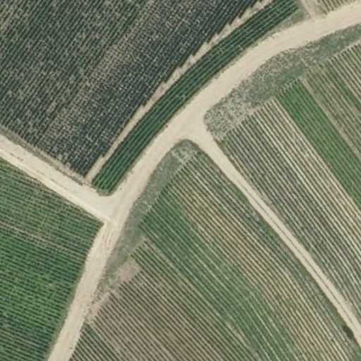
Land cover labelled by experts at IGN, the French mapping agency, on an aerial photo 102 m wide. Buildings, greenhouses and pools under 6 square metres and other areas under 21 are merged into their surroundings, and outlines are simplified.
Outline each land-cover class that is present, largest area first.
<instances>
[{"label":"vineyard","instance_id":"1","mask_svg":"<svg viewBox=\"0 0 361 361\"><path fill-rule=\"evenodd\" d=\"M355 0H0V134L27 149L34 157L47 162L56 172L62 173L78 185L90 186L97 190L99 195L109 196L120 185L121 180L126 178L128 171L133 168L145 148L164 130L171 118L214 76L224 71L235 59L240 58L248 48L257 44L259 39L268 37L278 25L281 28H289L300 21L329 14L343 4ZM207 131L213 135V141L219 145L235 171L251 183L264 203L271 207L272 212L312 255L314 262L330 279L345 302L350 303L351 310L361 324V24L351 25L344 30L326 35L319 41L309 42L303 47L272 56L267 62L262 63L250 78L243 80L219 103L210 107L203 117ZM69 361H361V347L353 331L345 324L336 306L327 298L316 279L303 267L300 259L293 254L258 210L251 206L244 193L227 178L220 166L196 142L180 140L155 166L147 185L133 203L123 231L110 257L107 258L104 274L97 283L93 299L87 303L80 338ZM103 224L86 210L80 209L54 190L47 188L44 183L31 178L6 159L0 158V361H47L68 317L76 286L85 268L87 254Z\"/></svg>","mask_w":361,"mask_h":361},{"label":"pervious surface","instance_id":"2","mask_svg":"<svg viewBox=\"0 0 361 361\"><path fill-rule=\"evenodd\" d=\"M361 24V0H355L343 4L329 14L300 21L289 28H281L278 25L268 37L259 39L257 44L248 48L240 58L235 59L224 71L214 76L171 118L164 130L145 148L133 168L128 171L126 178L121 180L120 185L109 196L99 195L97 190L90 186L78 185L62 173L56 172L47 162L34 157L27 149L0 134V158L6 159L31 178L44 183L47 188L54 190L80 209L86 210L103 224L87 254L85 268L76 286L68 317L47 361H69L80 338L87 303L93 299L97 283L104 274L107 258L110 257L123 231L133 203L147 185L155 166L180 140L196 142L220 166L227 178L244 193L251 206L258 210L293 254L300 259L303 267L316 279L327 298L336 306L345 324L353 331L361 347V324L351 310L350 303L345 302L330 279L314 262L312 255L272 212L271 207L264 203L251 183L235 171L219 145L213 141V135L207 131L203 117L210 107L219 103L243 80L250 78L262 63L267 62L272 56L303 47L309 42L319 41L326 35L344 30L351 25Z\"/></svg>","mask_w":361,"mask_h":361}]
</instances>
